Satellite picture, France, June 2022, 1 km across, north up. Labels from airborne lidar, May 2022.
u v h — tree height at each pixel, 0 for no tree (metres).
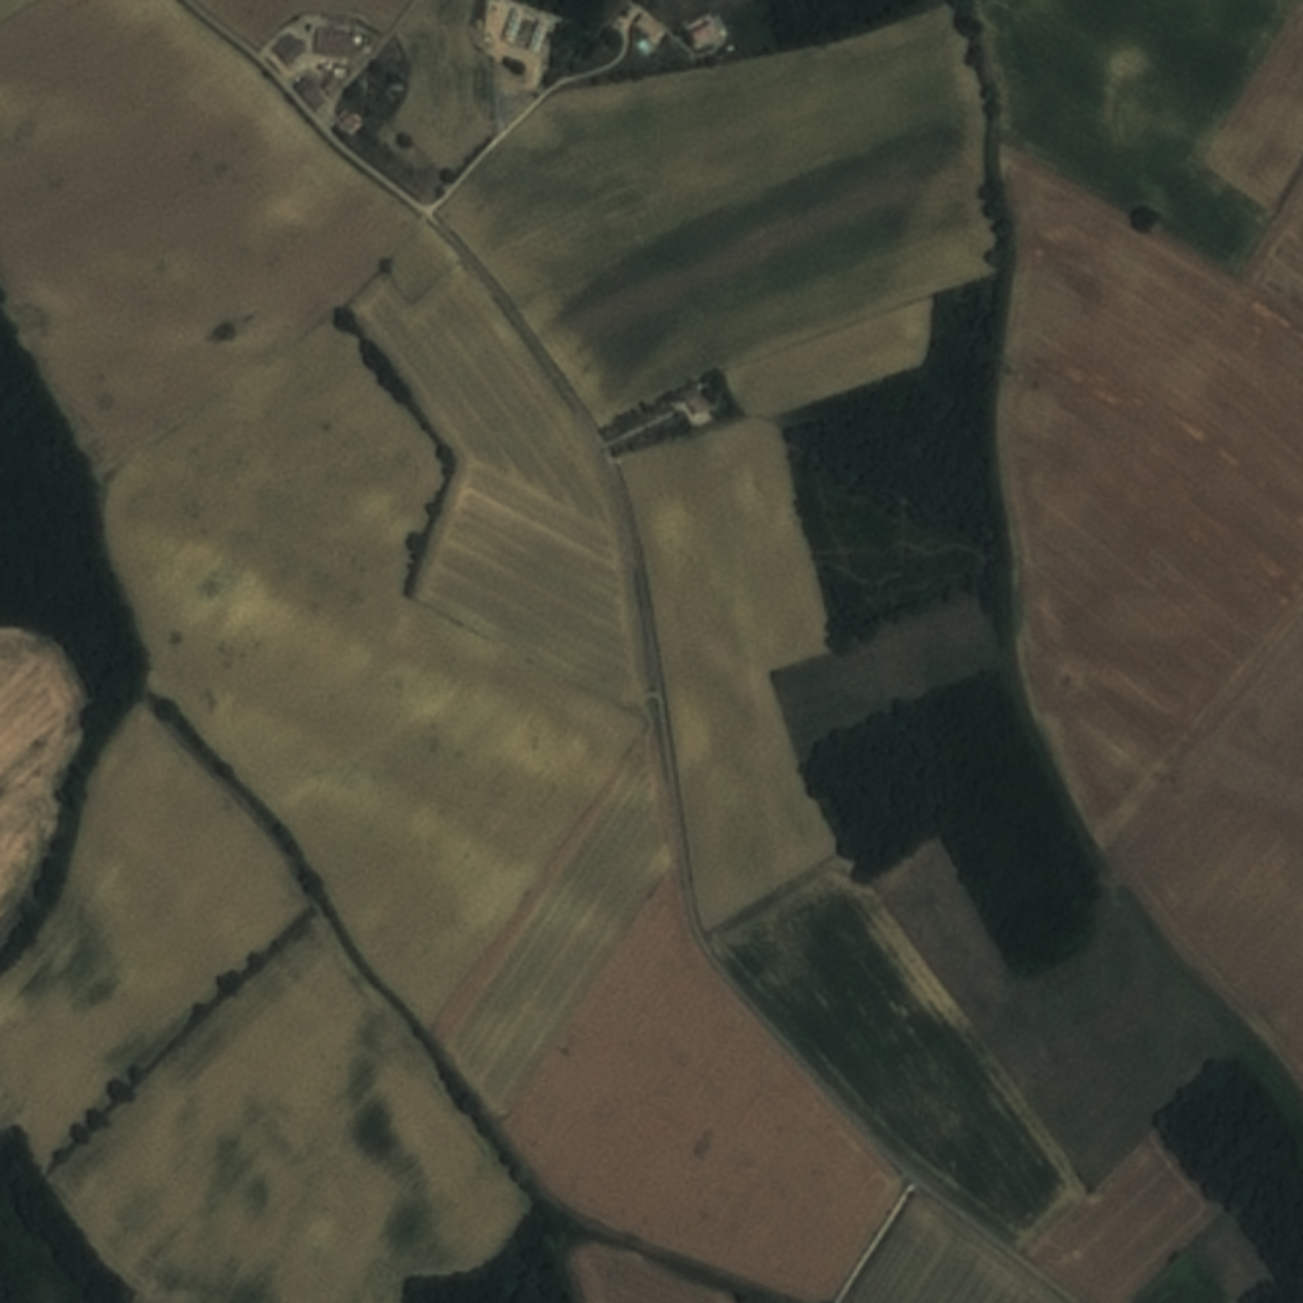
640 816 0
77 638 17
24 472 15
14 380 25
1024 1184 0
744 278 0
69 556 13
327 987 0
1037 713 0
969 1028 0
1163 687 0
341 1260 0
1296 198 0
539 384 0
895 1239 0
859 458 19
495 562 0
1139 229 13
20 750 0
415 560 6
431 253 0
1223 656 0
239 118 0
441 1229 0
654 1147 0
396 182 0
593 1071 0
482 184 0
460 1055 0
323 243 0
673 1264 0
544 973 0
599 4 10
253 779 0
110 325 0
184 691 0
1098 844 0
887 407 8
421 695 0
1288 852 0
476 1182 0
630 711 0
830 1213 0
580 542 0
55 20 0
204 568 0
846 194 0
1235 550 0
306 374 0
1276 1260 16
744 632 0
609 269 0
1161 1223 0
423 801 0
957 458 15
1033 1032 0
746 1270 0
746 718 0
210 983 0
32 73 0
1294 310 0
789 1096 0
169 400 0
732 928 0
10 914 0
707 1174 0
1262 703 0
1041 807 8
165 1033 0
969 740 12
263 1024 0
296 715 0
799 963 0
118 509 0
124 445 0
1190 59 0
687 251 0
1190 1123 14
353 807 0
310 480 0
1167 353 0
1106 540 0
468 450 0
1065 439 0
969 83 0
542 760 0
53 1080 0
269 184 0
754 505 0
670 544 0
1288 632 0
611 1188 0
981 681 6
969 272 0
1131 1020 0
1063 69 0
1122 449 0
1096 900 8
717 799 0
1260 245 0
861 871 14
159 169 0
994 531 9
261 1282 0
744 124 0
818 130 0
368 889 0
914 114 0
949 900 0
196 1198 0
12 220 0
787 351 0
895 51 0
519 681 0
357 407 0
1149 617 0
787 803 0
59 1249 13
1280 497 0
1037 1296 0
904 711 16
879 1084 0
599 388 0
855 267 0
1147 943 0
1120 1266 0
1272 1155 20
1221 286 0
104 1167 0
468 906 0
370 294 0
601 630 0
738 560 0
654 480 0
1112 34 0
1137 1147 0
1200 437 0
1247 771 0
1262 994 0
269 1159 0
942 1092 0
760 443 0
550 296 0
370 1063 0
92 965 0
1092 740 0
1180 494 0
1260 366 0
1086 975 0
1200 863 0
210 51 0
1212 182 0
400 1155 0
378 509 0
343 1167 0
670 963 0
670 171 0
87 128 0
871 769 17
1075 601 0
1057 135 0
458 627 0
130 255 0
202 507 0
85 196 0
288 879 0
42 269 0
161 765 0
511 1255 11
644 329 0
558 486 0
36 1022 0
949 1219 0
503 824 0
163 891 0
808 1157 0
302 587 0
